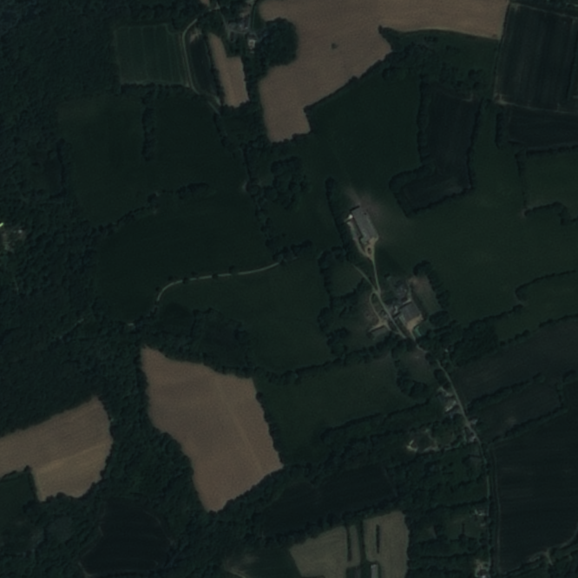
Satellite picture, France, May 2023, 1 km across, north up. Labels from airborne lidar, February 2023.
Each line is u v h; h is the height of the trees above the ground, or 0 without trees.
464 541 12
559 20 0
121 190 0
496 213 0
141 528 0
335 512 0
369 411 0
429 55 15
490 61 0
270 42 14
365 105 0
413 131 0
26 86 21
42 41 23
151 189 0
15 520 0
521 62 0
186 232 0
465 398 0
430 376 0
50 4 19
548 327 8
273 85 0
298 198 8
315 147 0
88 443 0
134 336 19
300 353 0
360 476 0
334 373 0
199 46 0
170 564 10
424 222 0
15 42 20
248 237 0
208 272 0
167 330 0
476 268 0
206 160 0
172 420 0
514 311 9
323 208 0
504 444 0
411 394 19
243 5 15
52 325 13
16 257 11
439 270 0
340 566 0
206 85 0
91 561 0
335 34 0
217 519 14
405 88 0
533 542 0
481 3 0
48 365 21
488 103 12
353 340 0
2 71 18
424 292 0
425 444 0
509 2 0
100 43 20
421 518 20
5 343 16
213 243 0
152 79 0
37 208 7
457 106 0
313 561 0
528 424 11
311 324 0
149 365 0
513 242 0
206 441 0
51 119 20
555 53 0
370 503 0
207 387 0
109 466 9
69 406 17
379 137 0
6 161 14
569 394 0
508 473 0
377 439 13
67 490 0
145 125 12
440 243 0
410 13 0
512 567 0
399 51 13
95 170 0
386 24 0
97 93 19
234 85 0
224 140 11
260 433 0
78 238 8
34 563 10
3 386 18
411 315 0
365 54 0
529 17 0
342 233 14
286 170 17
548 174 0
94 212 0
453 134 0
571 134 0
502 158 0
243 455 0
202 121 0
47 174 0
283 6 0
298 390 0
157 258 0
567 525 0
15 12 33
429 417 0
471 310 0
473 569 0
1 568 11
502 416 0
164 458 11
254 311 0
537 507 0
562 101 0
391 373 0
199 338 7
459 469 0
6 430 18
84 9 16
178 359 14
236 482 0
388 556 0
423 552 14
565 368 0
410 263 0
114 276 0
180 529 0
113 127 0
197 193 19
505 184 0
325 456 0
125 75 0
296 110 0
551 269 0
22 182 20
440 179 0
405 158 0
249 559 0
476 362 11
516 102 0
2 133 17
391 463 13
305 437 0
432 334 8
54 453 0
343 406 0
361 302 0
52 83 21
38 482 0
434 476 19
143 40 0
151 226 0
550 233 0
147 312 0
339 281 0
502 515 0
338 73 0
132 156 0
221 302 0
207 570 14
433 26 0
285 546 15
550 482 0
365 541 0
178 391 0
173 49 0
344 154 0
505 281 0
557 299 0
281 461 11
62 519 20
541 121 0
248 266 0
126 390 15
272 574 0
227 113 14
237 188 0
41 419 18
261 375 8
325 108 0
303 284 0
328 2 0
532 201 0
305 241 0
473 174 14
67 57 20
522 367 0
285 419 0
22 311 19
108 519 0
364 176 0
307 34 0
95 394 18
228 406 0
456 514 20
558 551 7
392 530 0
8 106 19
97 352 7
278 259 12
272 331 0
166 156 0
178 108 0
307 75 0
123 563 0
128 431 7
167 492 16
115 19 16
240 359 0
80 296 15
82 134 0
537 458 0
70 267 22
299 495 0
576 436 0
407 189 0
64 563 17
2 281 14
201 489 0
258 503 17
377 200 0
